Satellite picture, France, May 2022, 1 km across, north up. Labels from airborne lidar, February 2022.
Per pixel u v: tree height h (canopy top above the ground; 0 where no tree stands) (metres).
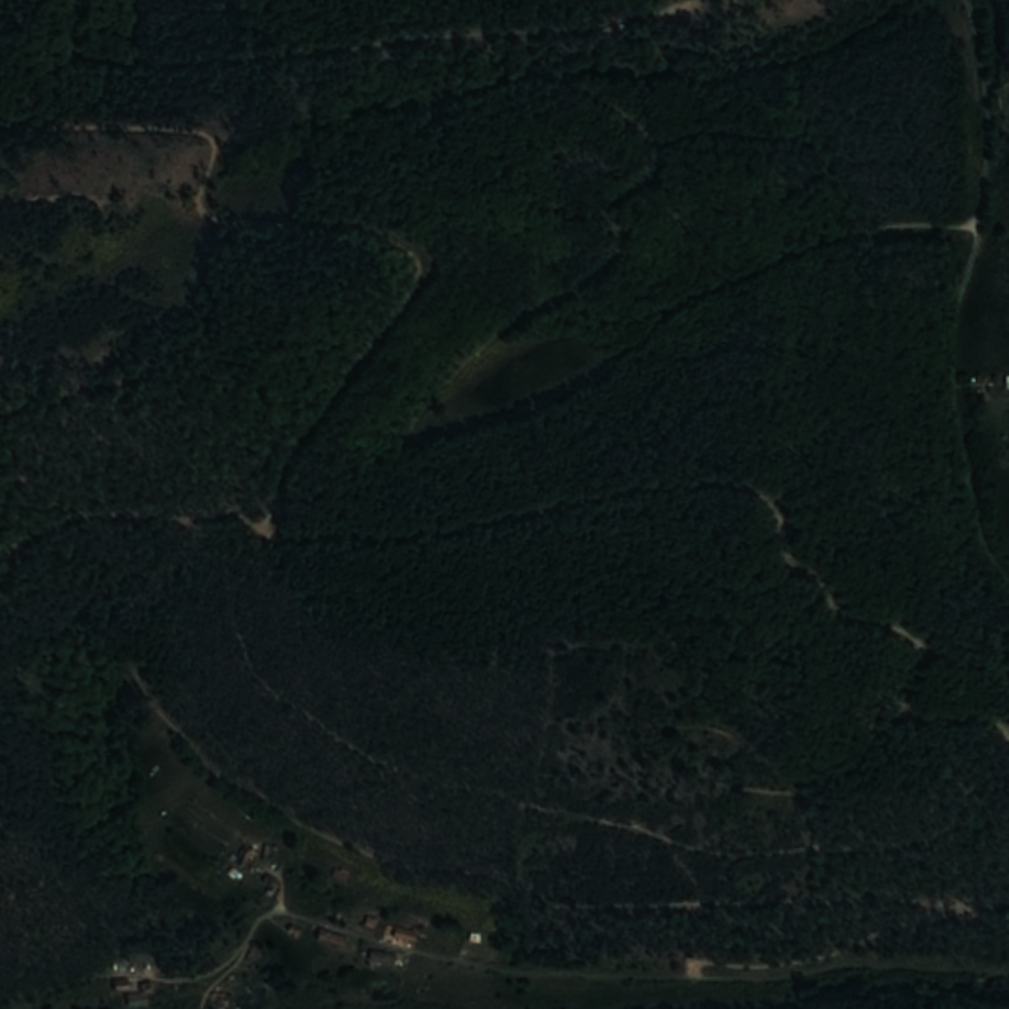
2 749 27
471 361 0
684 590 26
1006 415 0
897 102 22
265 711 17
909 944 28
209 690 21
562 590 28
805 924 30
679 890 8
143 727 0
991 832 26
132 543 34
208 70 25
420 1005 0
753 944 30
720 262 20
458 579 27
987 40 13
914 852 28
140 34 16
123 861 29
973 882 27
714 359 33
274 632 17
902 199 25
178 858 0
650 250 0
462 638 22
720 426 26
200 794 0
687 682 22
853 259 24
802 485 28
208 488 25
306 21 31
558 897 6
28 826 30
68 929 23
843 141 19
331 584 23
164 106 23
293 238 33
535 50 14
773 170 25
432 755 18
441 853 26
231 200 0
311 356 24
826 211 21
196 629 22
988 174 0
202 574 22
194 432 21
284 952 0
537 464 25
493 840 20
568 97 28
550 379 0
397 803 23
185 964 26
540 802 5
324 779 23
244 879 0
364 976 0
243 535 20
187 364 28
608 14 23
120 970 0
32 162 22
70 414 25
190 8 26
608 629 17
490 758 21
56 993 22
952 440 22
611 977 0
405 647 20
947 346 24
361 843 24
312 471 33
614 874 6
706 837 6
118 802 32
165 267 0
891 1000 17
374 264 25
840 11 18
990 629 25
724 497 24
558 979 0
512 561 27
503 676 19
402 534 25
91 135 24
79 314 10
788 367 0
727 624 23
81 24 32
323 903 0
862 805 24
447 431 0
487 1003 0
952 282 23
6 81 31
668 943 26
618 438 35
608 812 7
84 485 28
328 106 32
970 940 27
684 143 21
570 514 25
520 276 22
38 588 29
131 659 23
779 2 19
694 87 28
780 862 7
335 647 13
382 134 28
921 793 25
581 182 22
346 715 19
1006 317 0
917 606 25
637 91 28
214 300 25
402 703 19
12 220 13
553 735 6
